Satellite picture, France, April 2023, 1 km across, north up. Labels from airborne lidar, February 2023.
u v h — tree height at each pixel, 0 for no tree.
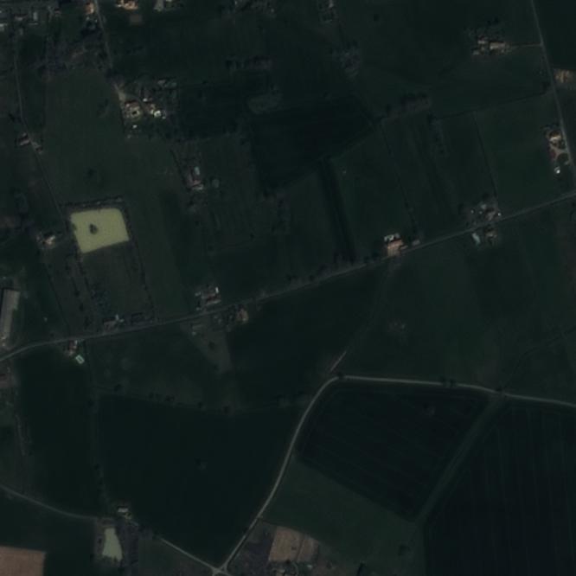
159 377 0
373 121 0
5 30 0
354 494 0
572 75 0
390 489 0
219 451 0
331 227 0
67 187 0
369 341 0
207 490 0
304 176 0
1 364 0
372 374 0
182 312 0
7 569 0
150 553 0
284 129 0
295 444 0
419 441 0
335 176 0
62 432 0
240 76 0
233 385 0
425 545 0
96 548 0
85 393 0
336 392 0
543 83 0
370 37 0
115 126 0
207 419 0
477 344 0
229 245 0
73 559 0
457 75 0
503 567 0
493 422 0
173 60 0
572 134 0
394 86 0
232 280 0
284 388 0
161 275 0
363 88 0
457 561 0
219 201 0
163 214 0
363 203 0
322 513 0
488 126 0
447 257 0
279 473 0
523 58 0
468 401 0
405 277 0
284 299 0
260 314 0
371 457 0
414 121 0
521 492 0
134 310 0
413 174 0
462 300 0
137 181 0
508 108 0
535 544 0
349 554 0
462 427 0
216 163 0
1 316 0
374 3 0
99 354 0
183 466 0
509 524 0
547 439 0
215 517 0
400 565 0
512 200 0
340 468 0
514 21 0
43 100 0
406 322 0
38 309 0
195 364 0
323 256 0
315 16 0
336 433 0
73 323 0
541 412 0
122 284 0
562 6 0
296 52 0
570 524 0
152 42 0
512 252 0
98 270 0
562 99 0
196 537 0
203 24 0
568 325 0
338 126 0
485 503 0
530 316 0
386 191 0
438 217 0
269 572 11
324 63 0
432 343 0
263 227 0
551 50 0
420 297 0
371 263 17
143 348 0
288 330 0
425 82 0
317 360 0
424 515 0
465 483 0
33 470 0
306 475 0
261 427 0
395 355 0
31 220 21
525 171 0
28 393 0
